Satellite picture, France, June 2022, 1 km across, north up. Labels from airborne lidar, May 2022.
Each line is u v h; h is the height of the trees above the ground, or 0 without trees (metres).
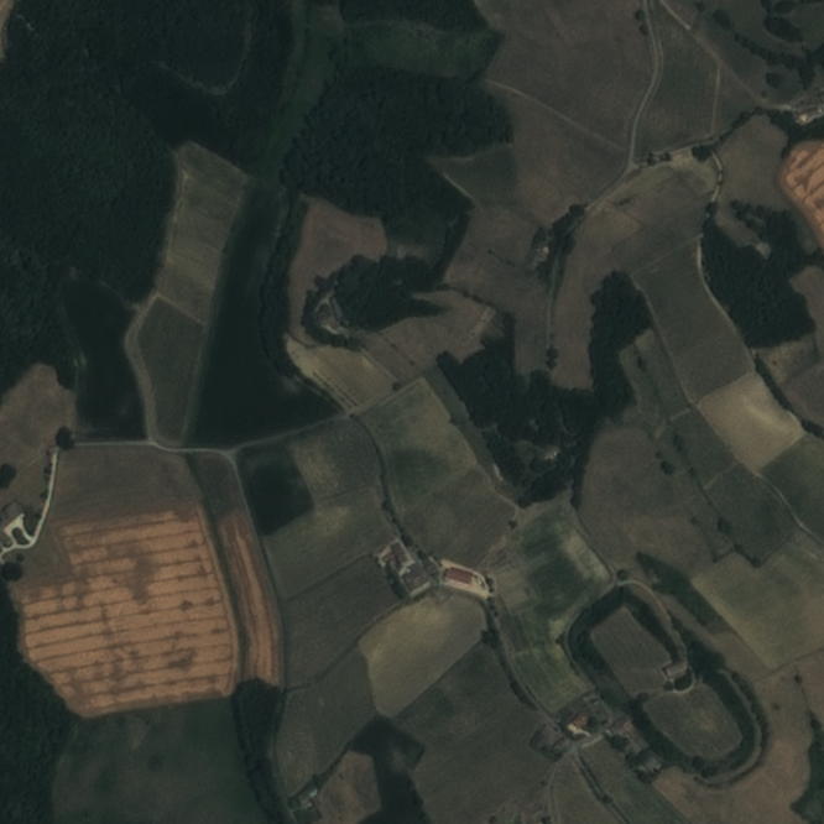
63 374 12
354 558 0
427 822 10
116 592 0
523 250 0
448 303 0
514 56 0
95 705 0
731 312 13
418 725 0
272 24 12
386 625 0
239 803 0
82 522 0
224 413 0
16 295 25
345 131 18
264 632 0
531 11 0
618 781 0
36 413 0
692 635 12
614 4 0
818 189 0
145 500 0
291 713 0
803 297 6
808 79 14
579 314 0
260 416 0
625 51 0
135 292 18
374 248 0
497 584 0
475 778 0
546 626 0
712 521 0
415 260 16
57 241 10
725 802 0
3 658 11
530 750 0
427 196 11
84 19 16
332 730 0
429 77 8
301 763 0
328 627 0
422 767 0
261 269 0
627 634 0
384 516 0
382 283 15
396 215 13
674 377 0
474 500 0
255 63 14
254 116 13
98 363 0
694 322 0
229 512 0
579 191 0
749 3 0
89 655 0
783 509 0
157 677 0
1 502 0
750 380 0
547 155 0
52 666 0
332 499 0
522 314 0
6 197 14
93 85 25
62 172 17
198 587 0
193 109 13
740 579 0
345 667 0
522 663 0
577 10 0
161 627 0
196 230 0
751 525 0
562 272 9
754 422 0
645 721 9
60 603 0
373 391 0
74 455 0
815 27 0
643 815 0
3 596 16
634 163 0
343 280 20
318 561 0
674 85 0
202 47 13
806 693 0
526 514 0
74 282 0
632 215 0
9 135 16
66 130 23
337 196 20
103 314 0
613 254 0
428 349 0
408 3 18
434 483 0
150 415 0
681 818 0
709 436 0
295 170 21
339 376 0
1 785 18
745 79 0
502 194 0
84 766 0
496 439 6
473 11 12
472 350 0
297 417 0
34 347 16
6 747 13
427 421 0
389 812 0
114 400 0
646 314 17
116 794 0
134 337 0
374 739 0
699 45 0
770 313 16
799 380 0
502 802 0
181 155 0
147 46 15
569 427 13
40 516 6
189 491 0
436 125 11
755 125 0
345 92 7
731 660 0
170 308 0
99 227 15
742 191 0
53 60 23
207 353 0
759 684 0
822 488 0
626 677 0
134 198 16
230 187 0
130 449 0
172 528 0
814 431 15
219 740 0
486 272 0
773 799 0
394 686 0
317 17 0
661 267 0
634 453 0
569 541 0
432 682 0
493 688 0
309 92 0
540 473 14
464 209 7
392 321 7
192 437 0
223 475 0
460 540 0
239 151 27
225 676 0
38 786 15
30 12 19
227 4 8
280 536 0
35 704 16
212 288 0
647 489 0
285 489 0
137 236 21
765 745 7
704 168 0
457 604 0
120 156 11
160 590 0
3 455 0
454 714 0
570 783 0
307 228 0
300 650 0
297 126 0
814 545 0
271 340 14
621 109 0
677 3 0
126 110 22
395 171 19
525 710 0
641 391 0
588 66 0
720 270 14
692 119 0
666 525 0
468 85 11
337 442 0
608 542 0
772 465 0
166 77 13
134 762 0
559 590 0
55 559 0
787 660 0
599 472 0
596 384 13
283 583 0
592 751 0
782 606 0
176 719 0
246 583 0
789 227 14
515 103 0
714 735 0
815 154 0
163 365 0
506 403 18
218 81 9
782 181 0
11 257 20
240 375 0
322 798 0
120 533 0
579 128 0
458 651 0
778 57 13
